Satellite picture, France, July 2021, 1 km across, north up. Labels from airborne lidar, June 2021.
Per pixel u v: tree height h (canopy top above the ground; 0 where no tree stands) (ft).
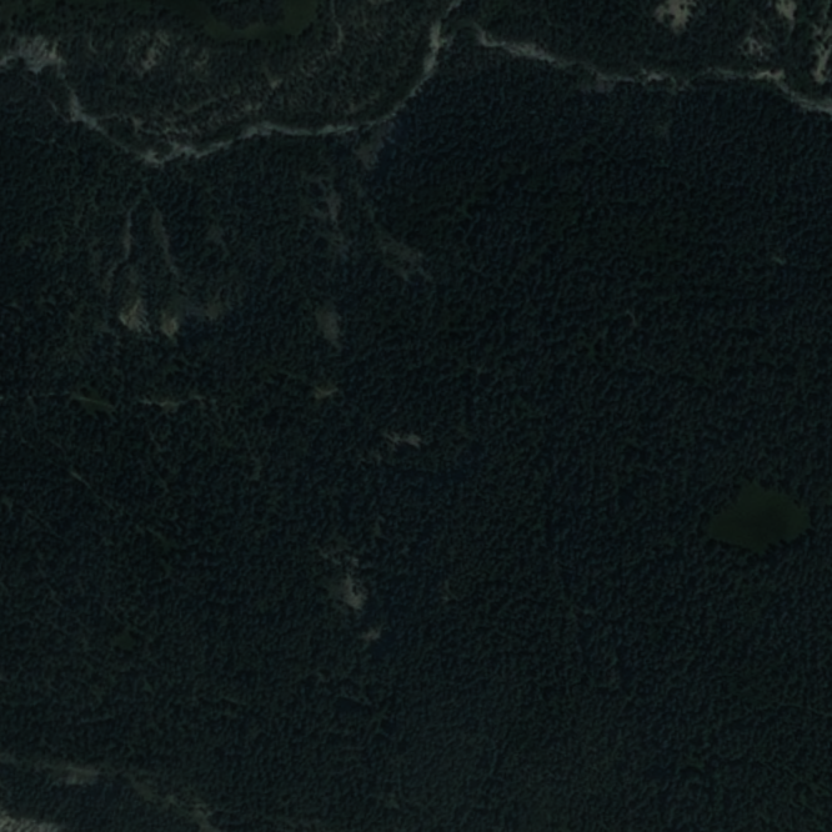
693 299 34
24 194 61
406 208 69
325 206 31
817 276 72
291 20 0
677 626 86
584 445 93
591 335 79
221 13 54
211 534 31
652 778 79
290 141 23
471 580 65
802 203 89
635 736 58
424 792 59
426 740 55
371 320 67
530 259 80
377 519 75
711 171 63
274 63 52
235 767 83
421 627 73
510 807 62
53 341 56
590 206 82
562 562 47
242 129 31
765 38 41
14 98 47
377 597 50
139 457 80
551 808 64
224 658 77
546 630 61
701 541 60
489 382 70
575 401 88
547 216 76
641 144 75
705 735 93
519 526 39
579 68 23
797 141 93
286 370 18
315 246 63
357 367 33
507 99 64
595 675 60
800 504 69
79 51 39
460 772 43
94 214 56
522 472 71
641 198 25
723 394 20
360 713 93
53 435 38
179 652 59
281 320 55
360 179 48
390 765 80
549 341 49
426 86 19
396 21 35
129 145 32
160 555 48
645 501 27
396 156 34
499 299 60
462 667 67
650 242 57
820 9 47
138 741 66
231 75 38
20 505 30
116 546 32
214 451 95
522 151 87
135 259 46
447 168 78
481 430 48
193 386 77
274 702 92
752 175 78
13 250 53
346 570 33
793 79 35
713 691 82
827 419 99
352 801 76
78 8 25
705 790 72
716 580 85
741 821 81
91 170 64
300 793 71
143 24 41
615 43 64
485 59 39
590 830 79
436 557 55
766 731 77
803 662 75
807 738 60
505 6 24
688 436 57
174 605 87
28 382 81
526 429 95
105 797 42
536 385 58
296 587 70
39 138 44
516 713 48
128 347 50
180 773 69
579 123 61
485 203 25
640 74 25
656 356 96
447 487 69
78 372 30
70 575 72
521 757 37
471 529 31
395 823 56
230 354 36
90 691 81
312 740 82
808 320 101
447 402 66
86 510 58
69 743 37
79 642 45
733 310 96
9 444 55
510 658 68
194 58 27
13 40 21
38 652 36
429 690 65
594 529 56
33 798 57
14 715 44
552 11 52
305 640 91
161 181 56
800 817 88
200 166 31
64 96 33
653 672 62
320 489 82
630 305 76
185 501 33
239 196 80
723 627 54
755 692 36
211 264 38
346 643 67
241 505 71
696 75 45
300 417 25
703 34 51
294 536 59
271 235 55
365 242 45
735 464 83
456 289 62
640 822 84
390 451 73
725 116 92
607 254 54
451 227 67
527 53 0
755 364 54
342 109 28
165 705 84
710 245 21
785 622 73
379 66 70
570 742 77
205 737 83
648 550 67
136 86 44
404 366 83
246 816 43
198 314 0
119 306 45
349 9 33
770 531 0
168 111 44
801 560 87
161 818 40
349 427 60
